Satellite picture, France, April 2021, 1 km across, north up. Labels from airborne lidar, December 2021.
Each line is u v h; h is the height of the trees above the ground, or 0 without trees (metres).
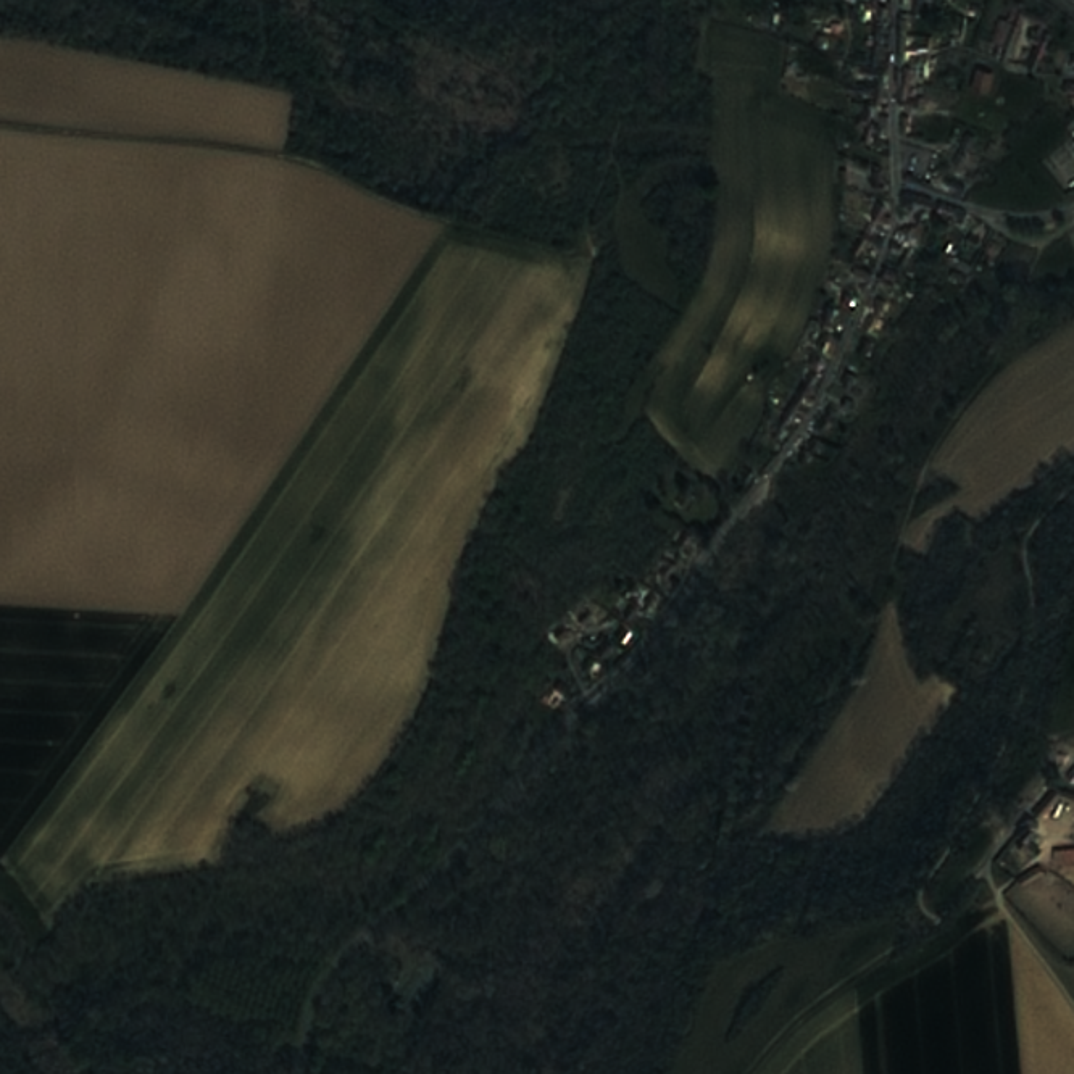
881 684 0
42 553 0
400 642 0
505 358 0
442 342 0
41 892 0
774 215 0
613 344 13
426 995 11
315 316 0
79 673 0
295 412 0
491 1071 38
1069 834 0
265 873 22
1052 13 12
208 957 26
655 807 37
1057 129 0
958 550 12
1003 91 0
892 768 0
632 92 17
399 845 23
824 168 0
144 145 0
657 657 25
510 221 6
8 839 0
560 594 17
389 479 0
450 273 0
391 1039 12
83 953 21
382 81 13
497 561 21
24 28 15
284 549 0
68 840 0
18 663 0
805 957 0
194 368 0
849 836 16
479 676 17
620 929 19
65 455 0
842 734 0
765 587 8
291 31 18
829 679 22
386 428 0
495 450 0
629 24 11
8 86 0
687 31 17
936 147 0
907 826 15
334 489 0
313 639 0
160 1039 13
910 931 9
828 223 0
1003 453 0
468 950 11
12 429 0
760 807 20
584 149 9
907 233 0
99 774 0
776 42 0
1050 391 0
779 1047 0
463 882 20
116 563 0
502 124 0
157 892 17
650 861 21
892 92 0
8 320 0
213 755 0
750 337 0
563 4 17
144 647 0
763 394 0
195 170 0
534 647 15
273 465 0
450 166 9
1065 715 0
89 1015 27
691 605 8
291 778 0
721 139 0
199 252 0
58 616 0
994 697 13
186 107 0
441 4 14
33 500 0
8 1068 27
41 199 0
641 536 10
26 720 0
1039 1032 0
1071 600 6
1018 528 11
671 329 7
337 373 0
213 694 0
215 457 0
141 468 0
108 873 0
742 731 24
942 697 0
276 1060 14
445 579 0
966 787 16
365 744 0
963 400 10
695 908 19
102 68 0
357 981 24
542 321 0
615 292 7
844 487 11
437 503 0
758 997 16
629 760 34
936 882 12
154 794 0
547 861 29
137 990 29
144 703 0
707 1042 0
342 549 0
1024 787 0
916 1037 0
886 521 9
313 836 16
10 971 16
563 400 6
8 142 0
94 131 0
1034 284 32
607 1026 22
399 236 0
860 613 24
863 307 0
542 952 23
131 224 0
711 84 14
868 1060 0
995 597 0
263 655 0
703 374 0
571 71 10
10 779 0
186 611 0
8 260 0
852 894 13
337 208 0
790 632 26
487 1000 18
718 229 22
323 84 15
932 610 16
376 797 12
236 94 0
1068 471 18
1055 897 0
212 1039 14
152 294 0
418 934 28
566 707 7
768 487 0
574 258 0
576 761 32
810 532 15
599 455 9
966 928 0
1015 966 0
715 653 29
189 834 0
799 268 0
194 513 0
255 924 20
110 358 0
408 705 0
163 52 8
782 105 0
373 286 0
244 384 0
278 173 0
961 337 23
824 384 0
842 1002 0
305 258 0
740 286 0
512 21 9
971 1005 0
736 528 6
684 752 18
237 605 0
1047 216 0
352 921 22
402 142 14
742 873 12
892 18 0
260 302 0
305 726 0
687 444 0
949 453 0
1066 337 0
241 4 18
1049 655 11
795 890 9
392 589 0
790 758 6
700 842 10
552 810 25
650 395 8
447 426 0
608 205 13
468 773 12
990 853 0
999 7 0
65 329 0
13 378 0
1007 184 0
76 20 17
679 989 14
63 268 0
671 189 18
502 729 23
